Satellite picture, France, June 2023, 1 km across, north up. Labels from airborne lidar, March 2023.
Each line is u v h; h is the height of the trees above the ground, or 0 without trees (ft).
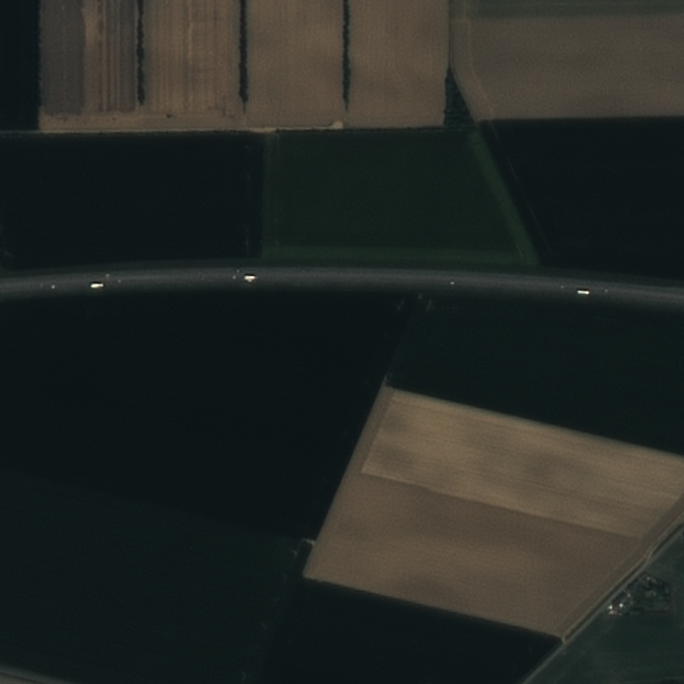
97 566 0
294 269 0
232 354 0
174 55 0
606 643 0
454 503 0
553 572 0
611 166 0
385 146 0
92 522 0
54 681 0
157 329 0
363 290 0
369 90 0
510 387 0
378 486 0
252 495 0
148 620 0
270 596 0
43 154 0
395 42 0
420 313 0
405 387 0
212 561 0
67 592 0
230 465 0
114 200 0
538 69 0
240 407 0
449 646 0
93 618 0
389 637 0
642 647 0
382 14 0
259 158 0
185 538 0
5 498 0
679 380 0
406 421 0
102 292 0
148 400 0
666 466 0
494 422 0
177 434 0
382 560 0
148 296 0
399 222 0
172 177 0
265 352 0
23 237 0
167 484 0
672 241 0
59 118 0
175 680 0
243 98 41
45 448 0
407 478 0
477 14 0
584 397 0
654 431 0
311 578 0
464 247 0
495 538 0
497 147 0
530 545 0
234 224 0
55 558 0
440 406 0
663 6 0
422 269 0
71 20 0
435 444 0
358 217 0
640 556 0
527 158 0
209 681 0
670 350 0
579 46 0
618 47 0
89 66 0
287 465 0
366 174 0
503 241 0
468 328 0
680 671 0
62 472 0
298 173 0
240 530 0
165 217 0
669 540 0
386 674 0
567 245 0
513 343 0
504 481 0
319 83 0
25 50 0
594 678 0
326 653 0
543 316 0
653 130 0
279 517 0
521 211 0
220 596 0
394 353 0
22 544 0
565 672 0
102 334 0
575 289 0
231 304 0
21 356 0
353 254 0
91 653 0
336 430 0
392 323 0
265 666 0
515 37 0
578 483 0
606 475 0
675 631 0
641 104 0
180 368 0
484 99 0
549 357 0
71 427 0
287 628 0
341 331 0
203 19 0
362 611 0
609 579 0
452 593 0
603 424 0
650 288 0
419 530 0
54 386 0
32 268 0
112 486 0
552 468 0
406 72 0
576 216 0
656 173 0
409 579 0
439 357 0
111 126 0
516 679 0
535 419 0
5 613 0
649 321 0
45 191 0
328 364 0
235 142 0
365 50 0
